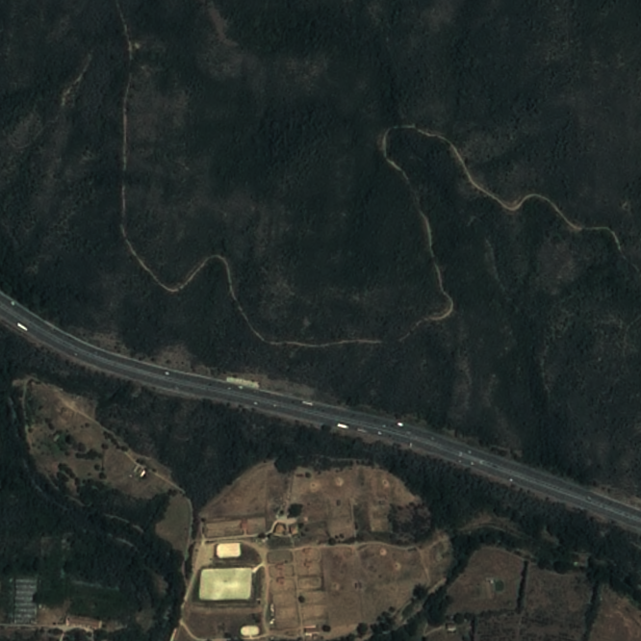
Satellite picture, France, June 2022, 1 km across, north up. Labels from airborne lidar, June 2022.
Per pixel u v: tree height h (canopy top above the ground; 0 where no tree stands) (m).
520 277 8
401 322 8
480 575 0
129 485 0
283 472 8
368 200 10
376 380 7
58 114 7
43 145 7
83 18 9
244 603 0
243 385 0
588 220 8
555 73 9
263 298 6
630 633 0
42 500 12
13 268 7
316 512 0
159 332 8
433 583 0
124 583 12
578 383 7
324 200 6
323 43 5
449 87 11
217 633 0
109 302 0
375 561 0
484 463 0
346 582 0
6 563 7
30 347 14
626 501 0
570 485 0
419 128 8
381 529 0
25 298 19
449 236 6
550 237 8
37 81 8
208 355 9
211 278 7
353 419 0
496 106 8
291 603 0
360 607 0
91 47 8
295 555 0
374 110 6
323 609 0
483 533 6
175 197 0
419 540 8
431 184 11
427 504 9
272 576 0
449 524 11
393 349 13
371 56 11
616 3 12
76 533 11
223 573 0
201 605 0
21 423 8
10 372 14
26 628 0
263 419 8
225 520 0
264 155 6
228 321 7
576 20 7
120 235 8
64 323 9
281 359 6
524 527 8
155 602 10
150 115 0
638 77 7
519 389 10
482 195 8
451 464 7
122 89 7
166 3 8
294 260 11
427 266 6
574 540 12
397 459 22
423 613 7
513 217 6
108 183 5
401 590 0
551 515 11
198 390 0
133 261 8
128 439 7
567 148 9
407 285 7
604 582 13
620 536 9
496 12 7
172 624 12
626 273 9
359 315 6
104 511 9
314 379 7
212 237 6
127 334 9
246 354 7
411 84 6
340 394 6
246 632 0
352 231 9
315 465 9
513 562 0
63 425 0
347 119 7
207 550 0
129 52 8
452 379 8
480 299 6
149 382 0
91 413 0
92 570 10
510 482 0
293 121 10
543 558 7
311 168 7
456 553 7
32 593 0
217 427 7
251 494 0
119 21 8
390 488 0
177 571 9
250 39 9
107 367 0
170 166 0
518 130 13
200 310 10
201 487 9
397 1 8
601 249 11
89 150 9
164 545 14
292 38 10
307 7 9
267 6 6
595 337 6
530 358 7
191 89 7
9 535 7
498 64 8
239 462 11
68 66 7
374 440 0
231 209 0
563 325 6
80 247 7
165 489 0
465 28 6
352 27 7
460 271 7
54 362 13
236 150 8
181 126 0
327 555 0
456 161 6
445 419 6
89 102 14
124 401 6
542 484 0
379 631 22
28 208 7
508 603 0
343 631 0
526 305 7
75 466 0
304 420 0
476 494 12
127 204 0
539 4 8
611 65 10
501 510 11
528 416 8
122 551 7
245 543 0
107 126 9
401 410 8
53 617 0
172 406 9
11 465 8
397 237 5
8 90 7
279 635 0
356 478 0
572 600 0
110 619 7
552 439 11
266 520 0
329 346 5
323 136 11
